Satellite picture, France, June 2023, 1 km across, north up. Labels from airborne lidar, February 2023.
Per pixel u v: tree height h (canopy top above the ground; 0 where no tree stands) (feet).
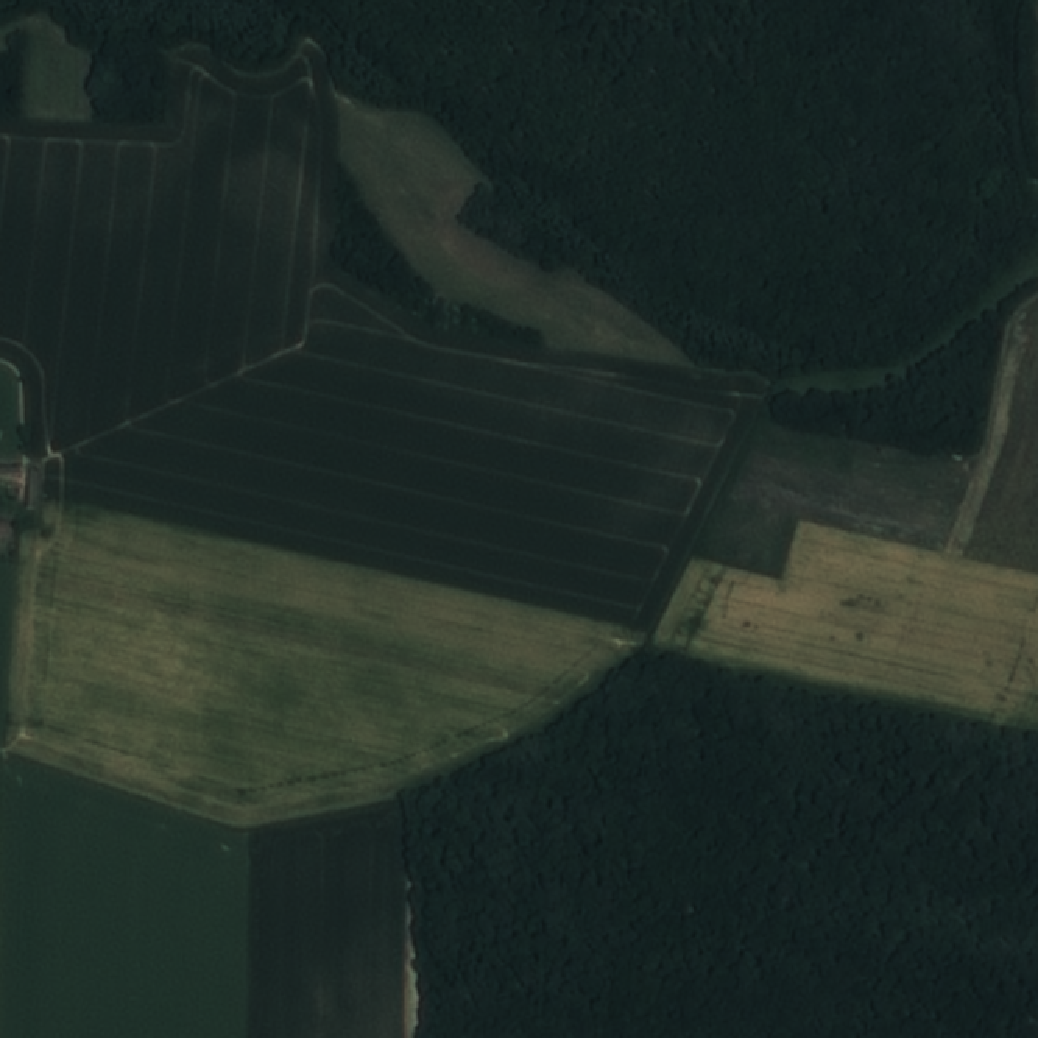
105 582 0
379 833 0
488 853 88
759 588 0
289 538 0
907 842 87
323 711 0
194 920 0
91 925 0
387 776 0
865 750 84
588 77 65
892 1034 80
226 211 0
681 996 87
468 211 39
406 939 0
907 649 0
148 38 48
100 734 0
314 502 0
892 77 87
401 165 0
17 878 0
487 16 70
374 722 0
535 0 64
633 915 75
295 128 0
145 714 0
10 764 0
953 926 70
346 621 0
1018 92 35
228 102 0
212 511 0
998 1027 85
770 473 0
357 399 0
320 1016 0
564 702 0
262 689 0
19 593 0
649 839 82
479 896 85
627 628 0
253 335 0
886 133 83
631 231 67
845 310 74
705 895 68
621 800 64
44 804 0
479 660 0
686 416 0
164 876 0
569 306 0
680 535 0
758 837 73
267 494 0
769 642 0
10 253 0
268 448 0
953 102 89
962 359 37
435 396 0
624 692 69
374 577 0
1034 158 38
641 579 0
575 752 72
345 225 23
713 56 64
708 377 0
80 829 0
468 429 0
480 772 32
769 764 72
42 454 0
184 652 0
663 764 87
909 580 0
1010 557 0
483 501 0
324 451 0
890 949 79
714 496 0
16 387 0
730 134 68
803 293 76
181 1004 0
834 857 87
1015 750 72
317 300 0
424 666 0
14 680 0
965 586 0
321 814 0
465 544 0
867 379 0
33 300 0
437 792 41
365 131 0
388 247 49
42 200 0
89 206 0
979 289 58
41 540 0
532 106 71
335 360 0
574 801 84
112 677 0
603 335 0
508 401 0
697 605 0
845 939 84
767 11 65
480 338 0
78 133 0
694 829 73
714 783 79
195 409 0
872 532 0
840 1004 80
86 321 0
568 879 80
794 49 66
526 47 72
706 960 62
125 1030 0
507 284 0
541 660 0
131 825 0
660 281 72
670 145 70
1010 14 26
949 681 0
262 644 0
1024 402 0
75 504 0
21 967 0
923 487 0
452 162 0
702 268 75
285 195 0
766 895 80
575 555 0
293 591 0
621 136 67
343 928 0
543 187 50
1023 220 37
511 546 0
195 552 0
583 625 0
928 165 67
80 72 0
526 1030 79
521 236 49
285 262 0
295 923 0
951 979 73
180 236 0
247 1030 0
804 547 0
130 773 0
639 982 76
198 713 0
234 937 0
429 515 0
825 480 0
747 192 75
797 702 64
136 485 0
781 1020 80
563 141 63
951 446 24
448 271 0
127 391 0
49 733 0
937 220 66
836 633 0
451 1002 71
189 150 0
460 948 71
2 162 0
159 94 57
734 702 77
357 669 0
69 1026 0
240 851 0
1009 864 64
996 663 0
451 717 0
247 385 0
